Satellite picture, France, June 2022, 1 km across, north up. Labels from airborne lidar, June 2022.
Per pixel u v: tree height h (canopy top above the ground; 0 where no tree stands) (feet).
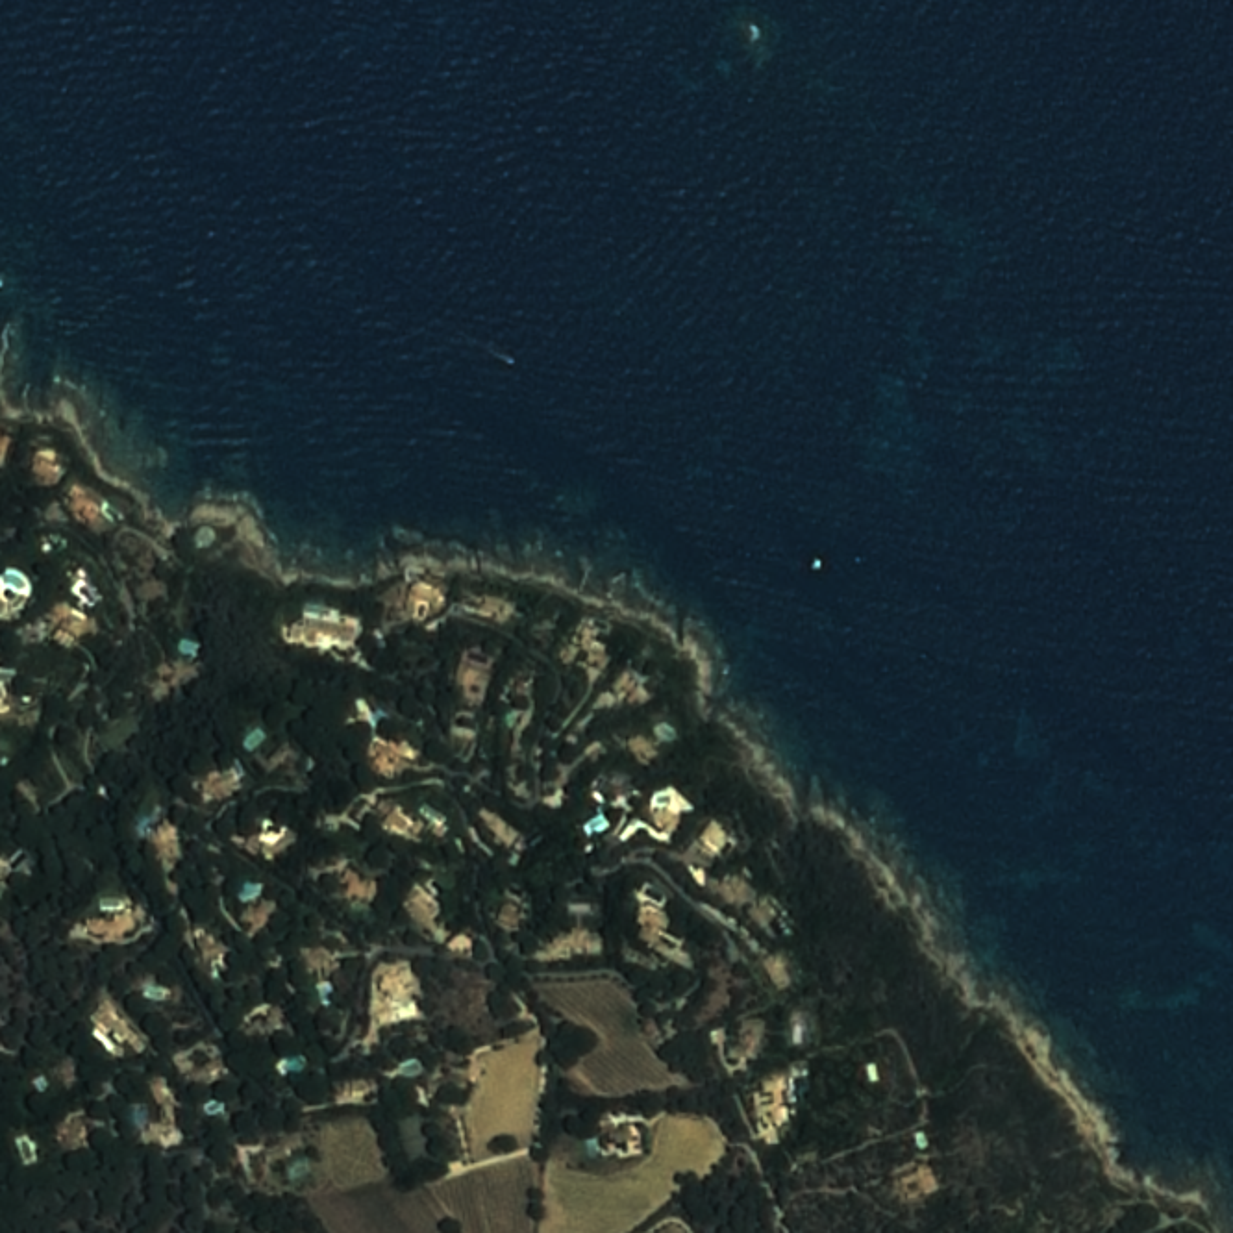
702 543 0
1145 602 0
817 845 27
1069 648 0
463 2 0
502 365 0
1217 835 0
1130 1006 0
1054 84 0
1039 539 0
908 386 0
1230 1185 0
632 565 0
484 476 0
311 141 0
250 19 0
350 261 0
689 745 24
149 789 36
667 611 0
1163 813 0
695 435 0
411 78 0
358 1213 0
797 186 0
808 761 0
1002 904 0
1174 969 0
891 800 0
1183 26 0
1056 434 0
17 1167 32
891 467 0
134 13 0
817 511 0
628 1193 0
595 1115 37
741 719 0
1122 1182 0
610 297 0
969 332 0
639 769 29
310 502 0
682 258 0
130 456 0
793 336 0
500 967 31
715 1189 35
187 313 0
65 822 48
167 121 0
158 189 0
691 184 0
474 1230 0
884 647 0
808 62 0
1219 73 0
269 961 40
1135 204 0
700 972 21
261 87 0
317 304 0
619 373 0
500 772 34
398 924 34
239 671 35
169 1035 31
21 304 0
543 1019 34
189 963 41
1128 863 0
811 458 0
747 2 0
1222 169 0
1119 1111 0
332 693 36
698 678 0
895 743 0
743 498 0
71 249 0
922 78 0
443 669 21
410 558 0
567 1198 0
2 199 0
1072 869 0
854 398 0
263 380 0
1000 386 0
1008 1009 0
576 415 0
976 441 0
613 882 21
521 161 0
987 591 0
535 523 0
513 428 0
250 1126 41
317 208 0
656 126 0
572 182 0
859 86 0
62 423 0
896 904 0
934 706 0
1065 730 0
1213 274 0
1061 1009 0
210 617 44
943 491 0
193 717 40
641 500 0
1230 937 0
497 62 0
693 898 20
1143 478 0
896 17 0
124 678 30
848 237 0
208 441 0
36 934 39
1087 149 0
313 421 0
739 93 0
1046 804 0
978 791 0
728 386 0
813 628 0
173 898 26
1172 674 0
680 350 0
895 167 0
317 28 0
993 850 0
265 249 0
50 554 0
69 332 0
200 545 0
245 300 0
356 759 43
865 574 0
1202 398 0
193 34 0
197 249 0
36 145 0
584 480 0
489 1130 0
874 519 0
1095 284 0
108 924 0
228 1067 42
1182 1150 0
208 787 0
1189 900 0
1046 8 0
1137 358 0
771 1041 0
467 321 0
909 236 0
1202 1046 0
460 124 0
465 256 0
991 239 0
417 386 0
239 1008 35
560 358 0
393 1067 39
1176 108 0
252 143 0
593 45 0
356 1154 0
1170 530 0
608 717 31
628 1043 0
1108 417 0
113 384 0
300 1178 0
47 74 0
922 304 0
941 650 0
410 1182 27
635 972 36
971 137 0
